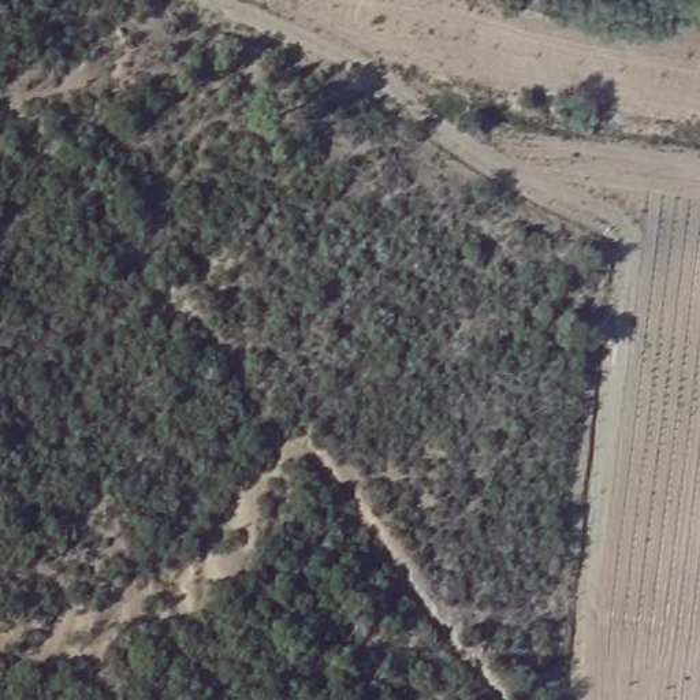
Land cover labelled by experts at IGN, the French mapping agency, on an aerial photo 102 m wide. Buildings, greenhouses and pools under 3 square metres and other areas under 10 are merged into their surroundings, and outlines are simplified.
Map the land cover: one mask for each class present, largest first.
<instances>
[{"label":"brushwood","instance_id":"1","mask_svg":"<svg viewBox=\"0 0 700 700\"><path fill-rule=\"evenodd\" d=\"M304 49L298 44H284L282 36H257L249 25H202L197 16V5L191 0H0V700H580L588 695V684L571 675V667L577 634V591L588 558V498L596 457L602 364L610 353V342L632 336L637 328L634 314L615 312L610 306L615 265L626 260L629 252L621 241H610L604 235L591 232L582 221H571L558 211L525 200L509 170L484 175L476 164L448 150L435 137V129L440 123L438 118L427 115L424 120H413L402 115V109L386 107V96L380 98L377 90L386 85V63L304 66ZM503 16L509 19L525 8L541 11L561 27L582 30L585 36H596L602 44H645L673 38L678 27L700 30V0H498Z\"/></svg>","mask_w":700,"mask_h":700},{"label":"vineyard","instance_id":"2","mask_svg":"<svg viewBox=\"0 0 700 700\"><path fill-rule=\"evenodd\" d=\"M197 5V16L202 25H249L257 36H282L284 44H298L304 49V66L386 63L416 66L438 82H448L457 77L473 79L489 85L492 90H503L506 101H522V93L528 88H544L547 96H552L571 85H580L585 98L593 101L596 118L610 120L621 131L656 137L675 134V129L686 120L700 123V30L678 27L673 38L645 44H602L596 36H585L582 30L561 27L541 11L525 8L509 19L503 16L498 0H191ZM435 137L448 150L476 164L484 175L509 170L525 200L558 211L571 221H582L591 232L604 235L610 241H621L629 252L626 260L615 265L610 306L615 312L634 314L637 328L632 336L610 342V353L602 364L596 457L588 498V558L577 591V634L571 667V675L588 684V695L580 700H700V153L678 148H640L632 142H596L517 131L506 123L481 134L459 131L448 120L440 123L435 129Z\"/></svg>","mask_w":700,"mask_h":700},{"label":"herbaceous vegetation","instance_id":"3","mask_svg":"<svg viewBox=\"0 0 700 700\"><path fill-rule=\"evenodd\" d=\"M380 98L386 96V107L402 109V115L413 120H424L427 115L424 101L429 96H459L465 101H479L481 134L506 123V101L503 90H492L489 85L473 79L457 77L448 82H438L416 66L386 63V85L377 90ZM596 142H632L640 148H678L700 153V123L686 120L675 129V134L656 137L621 131L610 120L604 131L596 137Z\"/></svg>","mask_w":700,"mask_h":700},{"label":"deciduous trees","instance_id":"4","mask_svg":"<svg viewBox=\"0 0 700 700\"><path fill-rule=\"evenodd\" d=\"M506 123L517 131L596 142V137L604 131L610 120L596 118L593 101L585 98L580 85H571L552 96H547L544 88H528L522 93V101H506ZM427 115L438 118L440 123L448 120L459 131L481 134L479 101H465L459 96H429L424 101Z\"/></svg>","mask_w":700,"mask_h":700}]
</instances>
